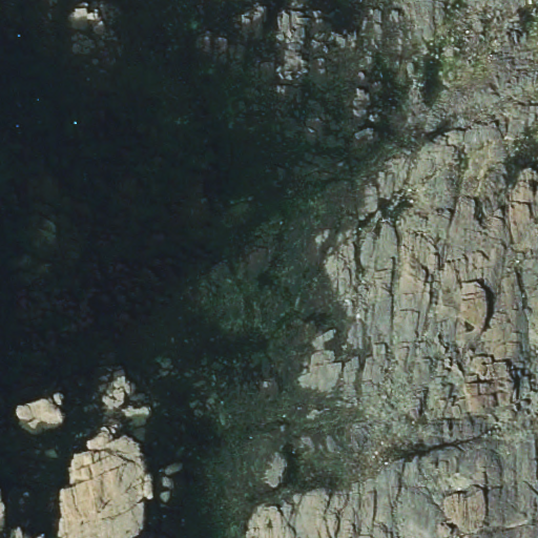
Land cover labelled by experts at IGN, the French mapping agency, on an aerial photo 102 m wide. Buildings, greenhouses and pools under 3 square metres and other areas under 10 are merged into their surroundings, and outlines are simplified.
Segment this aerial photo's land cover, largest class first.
<instances>
[{"label":"water","instance_id":"1","mask_svg":"<svg viewBox=\"0 0 538 538\"><path fill-rule=\"evenodd\" d=\"M406 63H412L414 71L422 76V101L425 105H433L441 92V61L420 55L414 21L408 19L399 4H391L387 0H0V504H6V525L13 532L21 530L29 538H59V496L61 490L69 488L71 458L76 454L86 452V443L101 433L103 414L107 412L103 397L113 389V380L120 376H124L139 395H145V408H149V414L143 422L145 439L139 443V450L143 467L151 477V498L143 500V527L135 538H246L248 523L258 506L277 509L282 504H288L290 515H298V506L294 502L296 494L324 490L328 496H334L336 490L343 485L336 475L328 473L326 469H317L309 458L301 456V437H311L315 443H324L326 437L322 433V427H311L307 418L309 393L313 389L301 387L298 376L303 374L305 364L313 355V340L317 334L328 330L334 332L332 340L326 343V349L334 353L336 359L338 355H343V343L347 340L351 324L355 322V317L347 315L345 305L338 298V290L332 288V282L326 273V258L338 252L336 237L340 231L355 229L359 221V208L366 204V189L380 185L378 172H382L389 166V160L399 158L401 149L420 151L425 145L435 143L439 137L450 132L448 120H441L433 130H425L422 124L410 126L406 120L404 103L408 101L410 92V78L406 71ZM57 393L61 395L59 425L42 422L36 429H29L23 420L17 418L19 406L38 399H48ZM275 454L284 458L286 469L282 473L280 483L271 488L265 483V471L271 467Z\"/></svg>","mask_w":538,"mask_h":538},{"label":"bare soil","instance_id":"2","mask_svg":"<svg viewBox=\"0 0 538 538\"><path fill-rule=\"evenodd\" d=\"M391 4H399L408 19L414 21L420 55L441 61V92L433 105H425L422 101V76L414 71L412 63H406V71L410 78V92L408 101L404 103L406 120L410 126L422 124L425 130H433L441 120H448L450 132L439 137L435 143L425 145L420 151L401 149L399 158L389 160V166L382 172H378L380 185L366 189V204L359 208V221L355 229L340 231L336 237L338 252L326 258V273L332 282V288L338 290V298L345 305L347 315L355 317V322L351 324L347 340L343 343V355H338L336 359L334 353L326 349V343L332 340L334 332L328 330L317 334L313 340V355L305 364L303 374L298 376L301 387L313 389L309 393L307 418L311 427H322V433L326 437L324 443H315L311 437H301V456L309 458L317 469H326L328 473L336 475L343 485L336 490L334 496H328L324 490L296 494L294 502L298 506V515H290L288 504H282L277 509L258 506L248 523L246 538H538V0H387ZM107 412L103 414L101 433L86 443V452L76 454L71 458L69 488L61 490L59 496V538H135L143 527V500L151 498V477L143 467L139 450V443L145 439L143 422L149 414V408H145V395H139L124 376H120L113 380V389L103 397ZM61 395L57 393L48 399H38L19 406L17 418L23 420L29 429H36L42 422L59 425ZM286 469L284 458L275 454L271 467L265 471V483L271 488L280 483L282 473ZM0 538H29L21 530L13 532L6 525V504H0Z\"/></svg>","mask_w":538,"mask_h":538}]
</instances>
